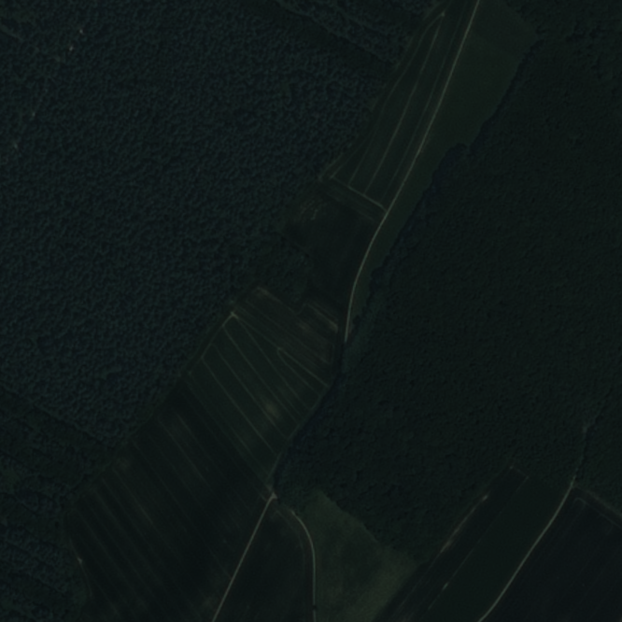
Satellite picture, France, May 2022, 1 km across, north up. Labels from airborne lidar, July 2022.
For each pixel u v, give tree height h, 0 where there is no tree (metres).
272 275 22
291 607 0
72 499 20
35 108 33
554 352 25
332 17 30
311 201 0
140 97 30
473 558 0
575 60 17
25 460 26
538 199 28
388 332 23
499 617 0
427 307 24
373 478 33
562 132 17
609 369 26
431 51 0
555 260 28
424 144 0
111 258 38
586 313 26
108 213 38
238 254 16
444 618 0
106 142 24
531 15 32
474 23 0
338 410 25
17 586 30
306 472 27
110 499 0
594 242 26
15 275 25
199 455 0
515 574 0
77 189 29
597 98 16
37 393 32
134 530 0
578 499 0
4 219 34
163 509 0
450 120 0
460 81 0
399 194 0
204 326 32
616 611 0
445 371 24
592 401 27
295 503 22
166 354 32
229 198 29
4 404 31
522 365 28
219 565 0
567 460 21
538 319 28
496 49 0
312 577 0
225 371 0
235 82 36
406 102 0
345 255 0
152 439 0
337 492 27
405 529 27
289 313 0
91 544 0
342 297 0
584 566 0
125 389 36
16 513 29
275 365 0
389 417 31
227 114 27
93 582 0
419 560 17
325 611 0
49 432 28
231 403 0
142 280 30
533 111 18
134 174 26
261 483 0
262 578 0
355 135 10
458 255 26
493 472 17
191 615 0
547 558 0
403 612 0
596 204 16
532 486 0
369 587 0
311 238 0
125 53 34
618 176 17
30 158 27
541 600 0
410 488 26
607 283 25
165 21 22
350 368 19
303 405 0
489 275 26
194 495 0
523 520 0
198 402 0
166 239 29
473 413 24
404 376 23
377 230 0
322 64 23
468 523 0
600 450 18
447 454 24
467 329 28
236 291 22
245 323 0
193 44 35
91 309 33
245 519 0
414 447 31
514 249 27
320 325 0
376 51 32
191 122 29
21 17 13
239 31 30
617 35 32
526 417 23
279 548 0
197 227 24
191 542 0
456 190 33
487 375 24
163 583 0
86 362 31
